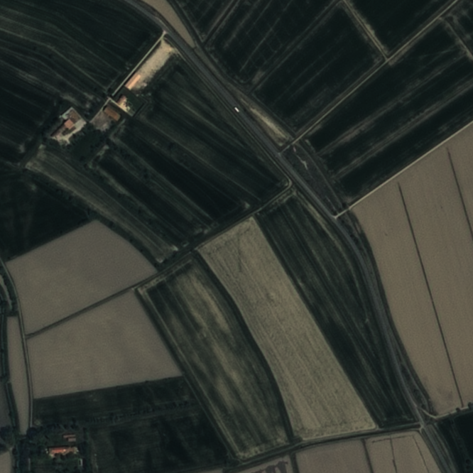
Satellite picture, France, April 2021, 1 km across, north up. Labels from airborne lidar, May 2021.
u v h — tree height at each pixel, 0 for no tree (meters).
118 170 0
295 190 0
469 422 0
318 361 0
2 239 0
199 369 0
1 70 0
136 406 0
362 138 0
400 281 0
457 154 0
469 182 0
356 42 0
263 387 0
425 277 0
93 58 0
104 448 0
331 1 0
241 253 0
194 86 0
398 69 0
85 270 0
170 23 0
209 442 0
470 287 0
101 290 0
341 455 0
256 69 0
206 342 0
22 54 0
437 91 0
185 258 0
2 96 0
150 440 0
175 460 0
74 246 0
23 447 13
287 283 0
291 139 0
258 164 0
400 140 0
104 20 0
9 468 0
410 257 0
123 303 0
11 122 0
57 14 0
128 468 0
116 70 0
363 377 0
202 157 0
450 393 0
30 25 0
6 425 0
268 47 0
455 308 0
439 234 0
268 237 0
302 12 0
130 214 0
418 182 0
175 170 0
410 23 0
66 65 0
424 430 0
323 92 0
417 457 0
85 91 0
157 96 0
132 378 0
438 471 0
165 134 0
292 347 0
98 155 0
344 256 0
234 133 0
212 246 0
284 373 0
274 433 0
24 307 0
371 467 0
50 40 0
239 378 0
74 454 15
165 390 0
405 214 0
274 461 0
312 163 0
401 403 0
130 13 0
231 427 0
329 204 0
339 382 0
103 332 0
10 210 0
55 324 0
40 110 0
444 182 0
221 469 0
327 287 0
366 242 0
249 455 0
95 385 0
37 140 0
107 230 0
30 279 0
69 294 0
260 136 0
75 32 0
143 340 0
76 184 0
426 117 0
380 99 0
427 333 0
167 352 0
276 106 0
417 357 0
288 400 0
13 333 0
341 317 0
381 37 0
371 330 0
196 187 0
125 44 0
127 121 0
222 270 0
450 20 0
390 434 0
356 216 0
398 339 0
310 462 0
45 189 0
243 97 0
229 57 0
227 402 0
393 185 0
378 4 0
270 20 0
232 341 0
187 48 0
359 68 0
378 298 0
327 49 0
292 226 0
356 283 0
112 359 0
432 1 0
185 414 0
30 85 0
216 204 0
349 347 0
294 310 0
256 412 0
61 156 0
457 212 0
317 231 0
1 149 0
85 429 9
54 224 0
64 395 0
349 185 0
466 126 0
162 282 0
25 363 0
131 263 0
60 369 0
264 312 0
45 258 0
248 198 0
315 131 0
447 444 0
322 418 0
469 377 0
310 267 0
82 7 0
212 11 0
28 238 0
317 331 0
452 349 0
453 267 0
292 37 0
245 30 0
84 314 0
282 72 0
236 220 0
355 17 0
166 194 0
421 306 0
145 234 0
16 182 0
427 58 0
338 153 0
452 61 0
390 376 0
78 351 0
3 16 0
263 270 0
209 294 0
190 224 0
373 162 0
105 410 0
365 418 0
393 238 0
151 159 0
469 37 0
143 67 0
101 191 0
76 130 0
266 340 0
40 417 0
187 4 0
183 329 0
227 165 0
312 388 0
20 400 0
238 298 0
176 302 0
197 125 0
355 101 0
